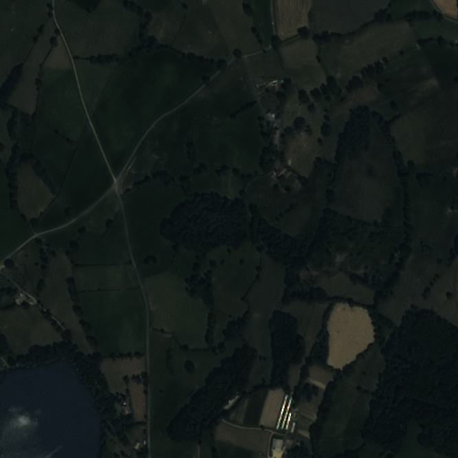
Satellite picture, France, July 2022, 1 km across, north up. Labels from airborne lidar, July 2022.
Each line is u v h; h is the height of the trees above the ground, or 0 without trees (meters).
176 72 0
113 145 0
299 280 24
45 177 14
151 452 0
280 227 0
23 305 13
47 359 21
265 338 0
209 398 18
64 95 0
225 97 0
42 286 14
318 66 0
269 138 15
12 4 0
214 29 0
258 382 0
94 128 0
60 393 0
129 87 0
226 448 0
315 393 17
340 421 0
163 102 0
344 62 0
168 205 0
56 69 0
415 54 0
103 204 0
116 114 0
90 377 20
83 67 0
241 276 0
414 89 0
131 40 0
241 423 0
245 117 0
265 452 0
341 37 11
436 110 0
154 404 0
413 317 21
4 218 0
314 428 20
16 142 7
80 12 0
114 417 18
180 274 0
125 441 20
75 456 0
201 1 0
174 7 0
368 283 20
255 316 0
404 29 0
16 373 0
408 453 0
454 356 15
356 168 0
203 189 0
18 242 0
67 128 0
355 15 0
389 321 14
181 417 18
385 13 19
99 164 0
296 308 0
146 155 0
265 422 0
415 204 0
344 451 0
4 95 24
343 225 0
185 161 0
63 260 0
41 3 0
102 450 16
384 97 0
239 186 0
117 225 0
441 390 26
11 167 21
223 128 0
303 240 5
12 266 15
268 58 0
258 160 0
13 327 0
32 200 0
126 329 0
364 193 0
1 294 9
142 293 0
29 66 0
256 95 0
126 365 0
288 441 0
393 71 0
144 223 0
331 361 0
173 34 0
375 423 18
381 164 0
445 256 0
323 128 13
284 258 12
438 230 0
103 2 0
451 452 21
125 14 0
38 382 0
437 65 0
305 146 0
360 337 0
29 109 0
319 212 0
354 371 13
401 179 20
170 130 0
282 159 19
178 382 0
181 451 0
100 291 7
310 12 0
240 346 0
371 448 0
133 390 0
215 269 13
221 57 0
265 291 0
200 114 0
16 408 0
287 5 0
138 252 0
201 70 0
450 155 0
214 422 16
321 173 0
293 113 0
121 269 0
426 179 17
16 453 0
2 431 0
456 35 0
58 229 0
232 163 0
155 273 0
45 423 0
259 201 0
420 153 0
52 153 0
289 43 0
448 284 0
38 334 0
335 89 24
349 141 19
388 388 23
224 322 0
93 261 0
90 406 0
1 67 0
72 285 21
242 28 0
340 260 0
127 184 0
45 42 0
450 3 0
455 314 0
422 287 0
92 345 18
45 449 0
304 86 0
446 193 0
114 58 12
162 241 0
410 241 19
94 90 0
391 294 13
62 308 0
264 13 0
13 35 0
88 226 0
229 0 0
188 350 18
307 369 16
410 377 30
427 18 19
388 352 28
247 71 0
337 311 0
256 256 0
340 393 0
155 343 0
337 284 0
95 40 0
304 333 0
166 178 18
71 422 0
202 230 18
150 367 0
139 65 0
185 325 0
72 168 0
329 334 7
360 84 21
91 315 0
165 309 0
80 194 0
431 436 25
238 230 22
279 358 27
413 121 0
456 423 20
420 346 28
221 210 19
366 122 18
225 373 19
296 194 0
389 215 7
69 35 0
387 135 17
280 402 0
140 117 0
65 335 18
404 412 27
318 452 21
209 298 26
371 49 0
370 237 9
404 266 19
